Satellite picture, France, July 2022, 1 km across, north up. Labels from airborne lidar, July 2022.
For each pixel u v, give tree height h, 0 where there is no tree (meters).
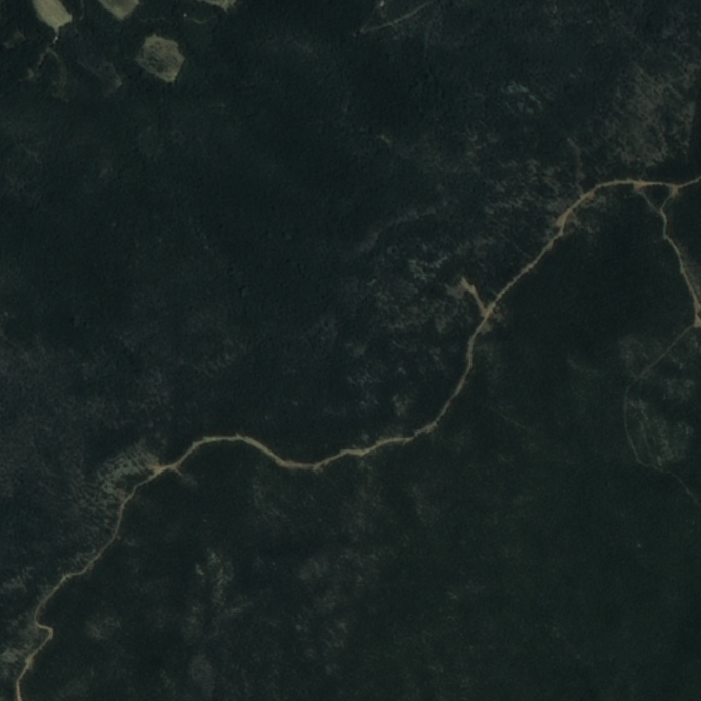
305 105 9
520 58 6
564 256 6
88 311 7
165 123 9
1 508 6
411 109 6
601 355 6
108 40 7
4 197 6
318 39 5
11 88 9
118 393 6
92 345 6
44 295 7
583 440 5
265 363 6
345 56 8
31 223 8
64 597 6
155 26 10
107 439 5
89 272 6
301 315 6
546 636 6
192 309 5
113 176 6
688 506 6
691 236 6
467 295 5
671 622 5
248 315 9
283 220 7
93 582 6
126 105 5
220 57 6
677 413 8
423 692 5
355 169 7
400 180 6
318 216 8
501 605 6
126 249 8
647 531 6
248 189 9
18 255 8
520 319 6
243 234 6
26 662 0
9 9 11
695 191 7
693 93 5
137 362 9
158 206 9
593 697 9
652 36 6
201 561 6
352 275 5
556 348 6
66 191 6
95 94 10
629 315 9
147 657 6
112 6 0
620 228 9
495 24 5
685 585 6
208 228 7
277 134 8
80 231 7
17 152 6
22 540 7
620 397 6
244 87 9
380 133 8
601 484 6
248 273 8
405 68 7
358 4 8
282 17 8
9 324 6
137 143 8
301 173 8
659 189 7
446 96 10
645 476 6
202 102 6
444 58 8
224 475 6
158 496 6
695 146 6
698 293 0
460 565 6
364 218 7
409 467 6
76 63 7
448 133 5
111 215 12
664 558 6
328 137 8
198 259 5
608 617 5
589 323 10
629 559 7
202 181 9
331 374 6
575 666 8
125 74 9
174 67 0
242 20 11
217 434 5
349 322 8
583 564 6
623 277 9
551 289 7
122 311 7
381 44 5
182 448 6
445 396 5
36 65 9
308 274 7
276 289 8
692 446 5
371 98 11
